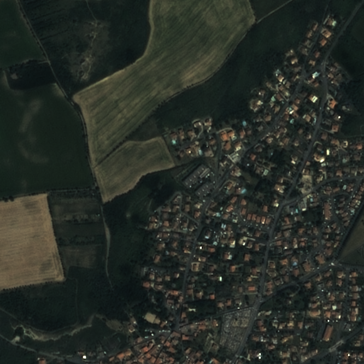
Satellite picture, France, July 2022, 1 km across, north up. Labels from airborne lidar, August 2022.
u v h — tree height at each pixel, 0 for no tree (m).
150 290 10
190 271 8
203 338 0
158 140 0
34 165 0
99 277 8
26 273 0
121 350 7
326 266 0
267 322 6
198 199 6
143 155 0
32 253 0
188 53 0
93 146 0
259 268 0
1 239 0
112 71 0
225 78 6
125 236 7
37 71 6
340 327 0
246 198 10
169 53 0
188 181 0
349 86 11
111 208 8
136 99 0
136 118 0
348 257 0
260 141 8
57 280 0
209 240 8
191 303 10
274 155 10
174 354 10
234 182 0
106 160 0
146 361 0
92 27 0
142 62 0
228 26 0
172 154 0
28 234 0
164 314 13
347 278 0
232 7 0
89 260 0
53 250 0
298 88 0
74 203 0
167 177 0
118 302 18
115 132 0
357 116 0
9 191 0
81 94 0
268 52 12
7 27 0
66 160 0
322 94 0
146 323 20
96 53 0
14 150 0
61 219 0
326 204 0
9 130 0
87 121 0
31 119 0
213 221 12
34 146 0
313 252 0
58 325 6
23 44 0
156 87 0
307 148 6
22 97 0
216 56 0
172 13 0
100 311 10
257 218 0
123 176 0
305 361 0
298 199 0
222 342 0
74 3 0
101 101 0
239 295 0
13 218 0
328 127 6
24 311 7
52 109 0
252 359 8
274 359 10
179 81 0
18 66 7
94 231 0
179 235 7
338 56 0
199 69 0
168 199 9
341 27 6
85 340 0
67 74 7
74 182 0
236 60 6
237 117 10
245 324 0
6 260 0
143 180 8
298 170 7
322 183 0
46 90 0
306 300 11
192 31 0
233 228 0
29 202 0
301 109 5
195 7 0
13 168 0
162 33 0
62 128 0
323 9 8
